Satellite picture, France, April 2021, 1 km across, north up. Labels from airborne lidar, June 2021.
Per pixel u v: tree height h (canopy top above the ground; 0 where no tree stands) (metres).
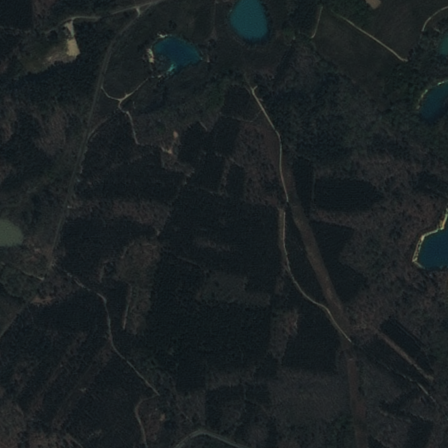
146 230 10
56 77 18
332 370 11
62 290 9
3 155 13
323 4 15
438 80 6
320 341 10
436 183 8
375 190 10
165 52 0
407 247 6
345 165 14
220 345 11
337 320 0
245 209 10
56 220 18
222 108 9
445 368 6
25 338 16
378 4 0
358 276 8
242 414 9
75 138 13
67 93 19
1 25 11
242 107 10
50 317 11
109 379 10
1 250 6
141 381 9
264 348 10
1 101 15
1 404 19
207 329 11
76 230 12
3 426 13
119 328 9
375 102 13
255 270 11
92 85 22
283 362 11
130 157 10
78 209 7
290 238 11
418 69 9
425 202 8
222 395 11
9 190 19
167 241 10
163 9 8
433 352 15
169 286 10
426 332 13
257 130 8
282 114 18
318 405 10
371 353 11
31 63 0
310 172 11
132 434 10
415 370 9
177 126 16
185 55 0
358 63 0
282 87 12
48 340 12
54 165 19
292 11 7
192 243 10
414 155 8
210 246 6
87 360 10
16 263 8
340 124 17
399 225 13
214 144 11
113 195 10
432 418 15
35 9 7
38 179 16
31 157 17
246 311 9
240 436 11
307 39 15
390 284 10
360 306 7
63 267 9
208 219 12
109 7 21
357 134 11
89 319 12
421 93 12
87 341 9
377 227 9
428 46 13
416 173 9
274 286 10
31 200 7
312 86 14
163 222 7
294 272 11
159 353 8
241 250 11
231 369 11
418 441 11
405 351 12
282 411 10
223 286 6
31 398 11
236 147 10
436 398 9
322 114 8
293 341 11
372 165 9
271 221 10
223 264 12
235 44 0
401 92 8
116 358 8
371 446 11
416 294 12
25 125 16
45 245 12
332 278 9
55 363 9
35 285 18
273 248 11
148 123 8
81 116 16
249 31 0
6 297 11
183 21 12
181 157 11
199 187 10
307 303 11
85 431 8
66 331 13
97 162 10
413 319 11
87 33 22
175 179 10
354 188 10
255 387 11
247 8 0
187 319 9
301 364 10
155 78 11
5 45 10
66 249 12
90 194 10
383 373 13
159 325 12
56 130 15
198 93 16
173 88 8
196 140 12
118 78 7
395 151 16
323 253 9
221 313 10
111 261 7
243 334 9
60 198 7
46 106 26
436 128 14
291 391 12
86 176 11
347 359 12
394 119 12
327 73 11
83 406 11
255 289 11
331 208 9
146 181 11
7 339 11
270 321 11
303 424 7
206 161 10
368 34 0
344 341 0
